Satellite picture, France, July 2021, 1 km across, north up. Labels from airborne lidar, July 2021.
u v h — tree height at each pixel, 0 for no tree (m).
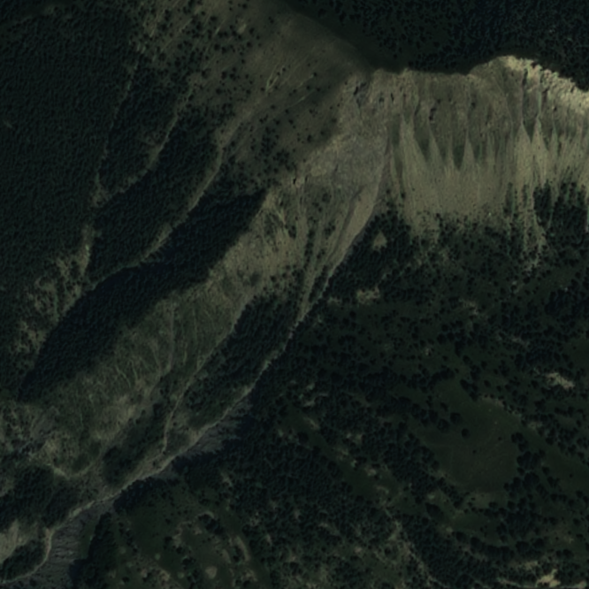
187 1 0
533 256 14
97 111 22
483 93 0
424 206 0
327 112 0
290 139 0
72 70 16
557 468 0
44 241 15
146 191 19
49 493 12
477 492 0
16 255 20
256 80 0
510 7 19
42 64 23
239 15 0
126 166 17
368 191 0
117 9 8
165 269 10
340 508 9
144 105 16
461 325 19
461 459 0
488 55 9
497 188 0
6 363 14
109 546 20
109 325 9
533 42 12
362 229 0
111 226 17
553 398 8
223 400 7
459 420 20
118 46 6
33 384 26
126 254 17
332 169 0
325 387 12
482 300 0
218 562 0
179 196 16
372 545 10
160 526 0
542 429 10
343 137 0
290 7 0
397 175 0
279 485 19
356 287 11
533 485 25
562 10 13
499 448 0
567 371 11
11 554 0
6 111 15
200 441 0
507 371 19
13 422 7
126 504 16
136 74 11
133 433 0
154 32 0
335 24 0
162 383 7
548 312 14
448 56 12
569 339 19
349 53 0
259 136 0
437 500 0
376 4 12
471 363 14
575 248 14
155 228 15
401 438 18
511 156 0
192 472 20
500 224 0
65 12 8
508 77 0
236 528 0
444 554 17
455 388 0
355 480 0
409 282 12
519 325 11
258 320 15
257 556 16
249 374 24
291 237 11
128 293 26
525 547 26
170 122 7
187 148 13
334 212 0
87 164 27
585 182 0
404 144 0
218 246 16
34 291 10
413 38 20
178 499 0
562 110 0
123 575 0
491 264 9
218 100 0
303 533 11
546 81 0
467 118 0
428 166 0
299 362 19
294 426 0
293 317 9
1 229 17
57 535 0
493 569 11
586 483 0
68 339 19
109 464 8
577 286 21
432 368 0
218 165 0
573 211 11
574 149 0
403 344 10
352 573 12
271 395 18
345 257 0
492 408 0
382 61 0
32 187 22
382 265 9
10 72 17
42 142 18
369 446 14
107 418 0
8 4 17
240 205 16
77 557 0
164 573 0
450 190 0
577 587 0
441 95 0
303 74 0
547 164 0
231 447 17
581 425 16
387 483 0
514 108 0
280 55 0
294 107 0
